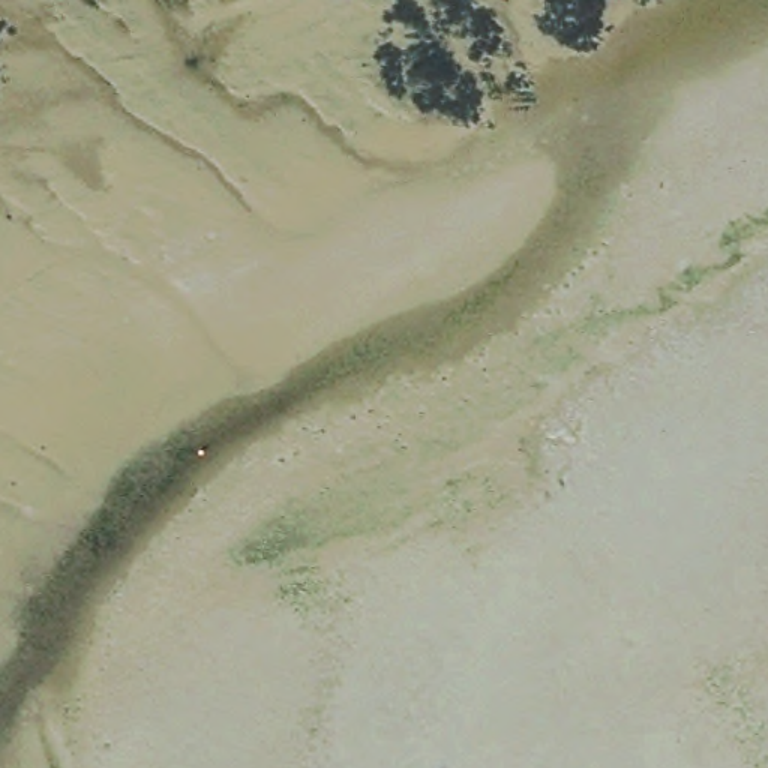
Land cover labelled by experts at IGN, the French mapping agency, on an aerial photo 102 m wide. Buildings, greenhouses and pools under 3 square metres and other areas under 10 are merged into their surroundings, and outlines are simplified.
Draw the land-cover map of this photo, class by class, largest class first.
<instances>
[{"label":"bare soil","instance_id":"1","mask_svg":"<svg viewBox=\"0 0 768 768\"><path fill-rule=\"evenodd\" d=\"M474 6L495 12L501 39L495 54H483L477 60L471 57V36H450L444 42L456 66L474 75V87L480 93V117L474 123H459L438 111H420L411 99H393L384 90L381 63L375 51L381 45H411L408 24L384 21V12L393 9V0H0V768H768V0H606L597 45L591 51H576L540 33L537 18L546 9V0H474Z\"/></svg>","mask_w":768,"mask_h":768},{"label":"herbaceous vegetation","instance_id":"2","mask_svg":"<svg viewBox=\"0 0 768 768\"><path fill-rule=\"evenodd\" d=\"M384 21L408 24L411 45H381L375 51L381 63L384 90L393 99H411L420 111H438L459 123H474L480 117V93L474 87V75L456 66L444 42L450 36H471V57L477 60L483 54H495L501 39L495 12L474 6V0H393V9L384 12ZM606 0H546V9L537 18L540 33L576 51H591L597 45Z\"/></svg>","mask_w":768,"mask_h":768}]
</instances>
